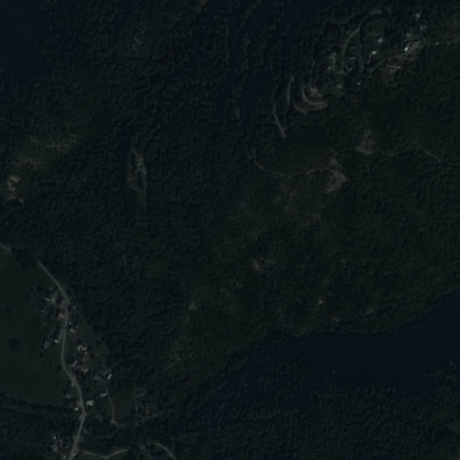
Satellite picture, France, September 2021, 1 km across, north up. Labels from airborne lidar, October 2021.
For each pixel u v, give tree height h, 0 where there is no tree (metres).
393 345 30
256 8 10
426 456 23
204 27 28
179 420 10
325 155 15
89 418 11
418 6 17
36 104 16
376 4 23
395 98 18
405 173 25
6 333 0
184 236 23
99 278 25
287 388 27
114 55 9
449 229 19
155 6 19
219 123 20
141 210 15
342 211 29
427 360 28
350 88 19
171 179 25
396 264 16
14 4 28
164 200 24
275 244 16
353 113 18
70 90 15
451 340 34
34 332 0
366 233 16
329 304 24
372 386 13
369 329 30
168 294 22
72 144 10
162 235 25
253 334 22
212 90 28
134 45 11
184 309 15
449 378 29
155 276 33
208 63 21
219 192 21
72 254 24
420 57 13
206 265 22
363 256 17
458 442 21
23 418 21
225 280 21
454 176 22
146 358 27
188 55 10
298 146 19
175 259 30
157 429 21
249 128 19
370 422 25
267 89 25
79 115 15
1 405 22
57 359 0
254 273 18
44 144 14
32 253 25
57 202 28
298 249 28
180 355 20
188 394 9
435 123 31
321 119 23
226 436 21
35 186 27
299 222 12
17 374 0
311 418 20
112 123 25
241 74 24
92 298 26
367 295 18
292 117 19
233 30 20
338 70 0
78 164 29
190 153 25
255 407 22
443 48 14
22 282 0
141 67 22
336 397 23
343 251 26
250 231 12
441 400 27
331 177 8
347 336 27
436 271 22
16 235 33
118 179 17
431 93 28
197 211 27
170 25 24
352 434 24
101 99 22
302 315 26
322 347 27
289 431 18
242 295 27
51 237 34
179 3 15
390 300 6
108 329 24
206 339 25
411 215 22
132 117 29
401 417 29
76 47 15
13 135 21
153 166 14
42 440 21
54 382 0
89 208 15
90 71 22
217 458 22
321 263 20
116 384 14
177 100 22
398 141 18
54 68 14
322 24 24
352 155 20
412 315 21
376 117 23
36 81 21
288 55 24
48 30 36
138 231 21
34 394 0
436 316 7
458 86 20
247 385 27
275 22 18
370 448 21
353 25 9
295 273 30
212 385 26
